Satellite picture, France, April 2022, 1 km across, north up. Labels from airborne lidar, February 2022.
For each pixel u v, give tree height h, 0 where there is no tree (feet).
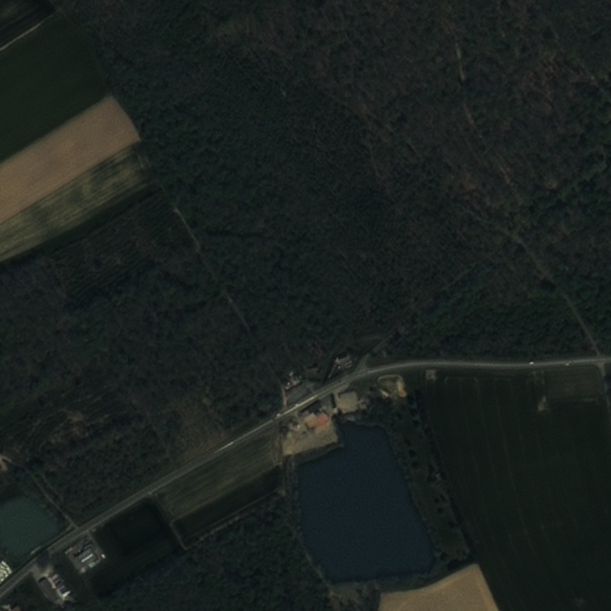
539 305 43
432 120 95
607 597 0
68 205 0
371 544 0
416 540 0
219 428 88
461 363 0
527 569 0
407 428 0
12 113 0
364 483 0
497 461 0
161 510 0
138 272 19
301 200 50
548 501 0
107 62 81
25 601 0
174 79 68
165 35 41
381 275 44
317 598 67
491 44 91
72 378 93
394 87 91
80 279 20
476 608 0
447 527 0
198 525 0
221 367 88
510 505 0
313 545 0
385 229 30
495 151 87
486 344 54
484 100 83
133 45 59
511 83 55
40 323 98
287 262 88
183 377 91
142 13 69
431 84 85
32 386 98
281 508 69
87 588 0
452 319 72
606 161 69
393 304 46
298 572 72
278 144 44
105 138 0
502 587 0
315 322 84
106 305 98
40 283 94
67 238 0
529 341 28
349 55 84
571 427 0
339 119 34
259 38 62
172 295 79
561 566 0
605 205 68
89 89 0
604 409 0
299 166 47
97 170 0
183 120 94
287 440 0
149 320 78
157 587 86
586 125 97
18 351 90
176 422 102
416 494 25
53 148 0
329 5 41
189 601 97
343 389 0
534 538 0
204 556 78
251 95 33
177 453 85
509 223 69
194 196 83
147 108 53
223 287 79
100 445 69
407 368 0
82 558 0
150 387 87
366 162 18
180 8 52
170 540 0
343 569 0
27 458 0
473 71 85
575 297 81
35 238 0
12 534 0
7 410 99
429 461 0
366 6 98
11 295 96
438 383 0
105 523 0
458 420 0
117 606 54
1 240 0
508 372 0
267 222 90
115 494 39
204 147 94
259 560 66
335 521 0
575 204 93
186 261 85
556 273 81
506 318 43
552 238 95
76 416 0
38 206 0
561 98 96
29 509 0
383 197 43
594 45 96
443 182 75
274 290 89
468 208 38
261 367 87
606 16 96
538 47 94
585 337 57
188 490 0
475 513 0
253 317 89
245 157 53
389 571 0
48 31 0
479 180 91
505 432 0
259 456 0
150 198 19
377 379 0
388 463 0
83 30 0
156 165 68
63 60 0
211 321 80
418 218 18
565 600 0
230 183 86
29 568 0
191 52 45
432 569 32
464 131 91
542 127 75
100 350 88
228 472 0
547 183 87
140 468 47
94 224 0
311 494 0
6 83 0
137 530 0
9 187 0
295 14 61
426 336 42
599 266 91
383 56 87
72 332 89
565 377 0
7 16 0
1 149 0
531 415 0
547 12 102
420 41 83
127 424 72
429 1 90
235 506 0
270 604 79
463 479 0
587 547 0
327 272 53
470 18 93
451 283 40
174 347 82
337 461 0
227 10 39
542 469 0
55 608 37
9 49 0
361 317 46
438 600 0
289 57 60
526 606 0
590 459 0
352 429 0
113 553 0
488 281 84
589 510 0
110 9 50
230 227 69
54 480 63
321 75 38
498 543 0
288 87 46
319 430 0
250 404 35
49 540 0
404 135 68
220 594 83
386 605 0
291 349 85
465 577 0
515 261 88
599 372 0
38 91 0
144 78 83
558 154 91
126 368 81
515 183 92
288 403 0
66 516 55
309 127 39
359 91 73
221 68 26
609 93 81
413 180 26
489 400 0
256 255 92
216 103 43
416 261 24
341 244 56
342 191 40
